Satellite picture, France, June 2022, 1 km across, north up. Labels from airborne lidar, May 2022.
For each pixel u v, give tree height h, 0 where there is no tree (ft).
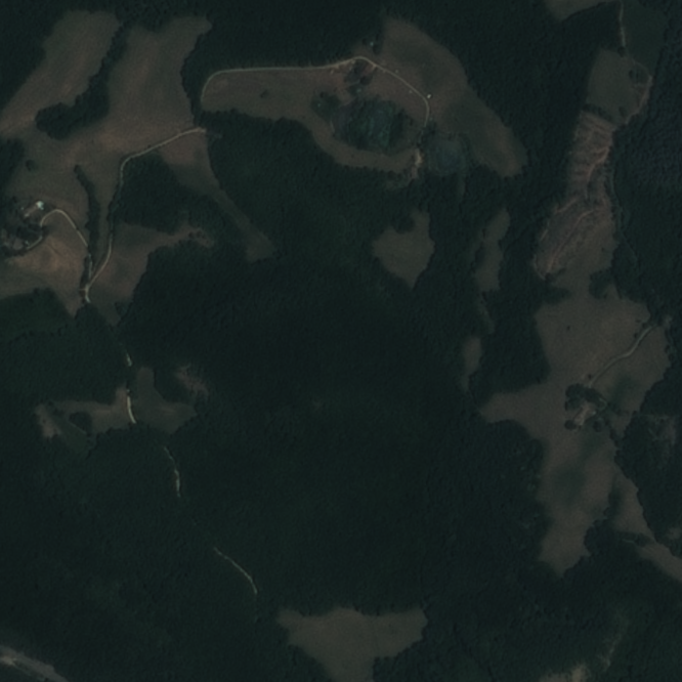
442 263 61
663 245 51
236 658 62
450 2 62
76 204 0
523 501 66
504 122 53
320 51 24
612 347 0
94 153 0
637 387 0
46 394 49
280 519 37
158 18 56
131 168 27
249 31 55
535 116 44
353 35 49
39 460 39
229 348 46
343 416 35
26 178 0
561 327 0
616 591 28
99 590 58
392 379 37
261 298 47
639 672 25
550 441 0
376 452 44
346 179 37
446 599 54
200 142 0
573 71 33
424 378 42
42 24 63
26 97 0
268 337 42
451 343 65
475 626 69
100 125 0
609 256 0
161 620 56
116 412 0
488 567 56
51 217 0
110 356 39
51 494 29
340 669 0
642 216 45
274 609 48
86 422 52
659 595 60
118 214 50
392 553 40
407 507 20
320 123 0
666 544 34
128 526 53
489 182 57
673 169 52
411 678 74
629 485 0
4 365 40
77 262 0
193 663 41
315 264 28
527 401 0
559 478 0
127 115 0
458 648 21
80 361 40
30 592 23
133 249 0
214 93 0
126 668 47
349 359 39
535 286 25
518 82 49
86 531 48
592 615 51
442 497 56
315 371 60
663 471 25
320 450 58
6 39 70
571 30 40
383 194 35
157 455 33
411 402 42
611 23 30
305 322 56
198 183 0
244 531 35
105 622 29
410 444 52
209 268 62
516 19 59
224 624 44
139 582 38
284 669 75
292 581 49
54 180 0
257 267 53
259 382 46
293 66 33
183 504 51
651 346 0
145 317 37
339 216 22
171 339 54
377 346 46
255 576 33
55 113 59
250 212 22
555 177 35
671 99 56
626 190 39
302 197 35
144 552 52
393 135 24
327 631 0
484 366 31
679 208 41
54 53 0
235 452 47
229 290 51
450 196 63
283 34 57
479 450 63
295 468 49
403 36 0
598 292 24
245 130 43
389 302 30
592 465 0
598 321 0
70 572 43
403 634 0
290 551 36
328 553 49
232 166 22
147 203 61
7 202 45
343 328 47
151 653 49
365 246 48
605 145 0
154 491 47
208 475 46
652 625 23
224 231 31
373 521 47
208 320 63
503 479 73
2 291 0
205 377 26
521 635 75
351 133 22
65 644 26
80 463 39
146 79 0
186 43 0
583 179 0
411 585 30
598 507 0
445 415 41
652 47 0
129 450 38
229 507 45
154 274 41
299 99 0
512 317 25
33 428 48
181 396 30
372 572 46
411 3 61
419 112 0
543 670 20
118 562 45
